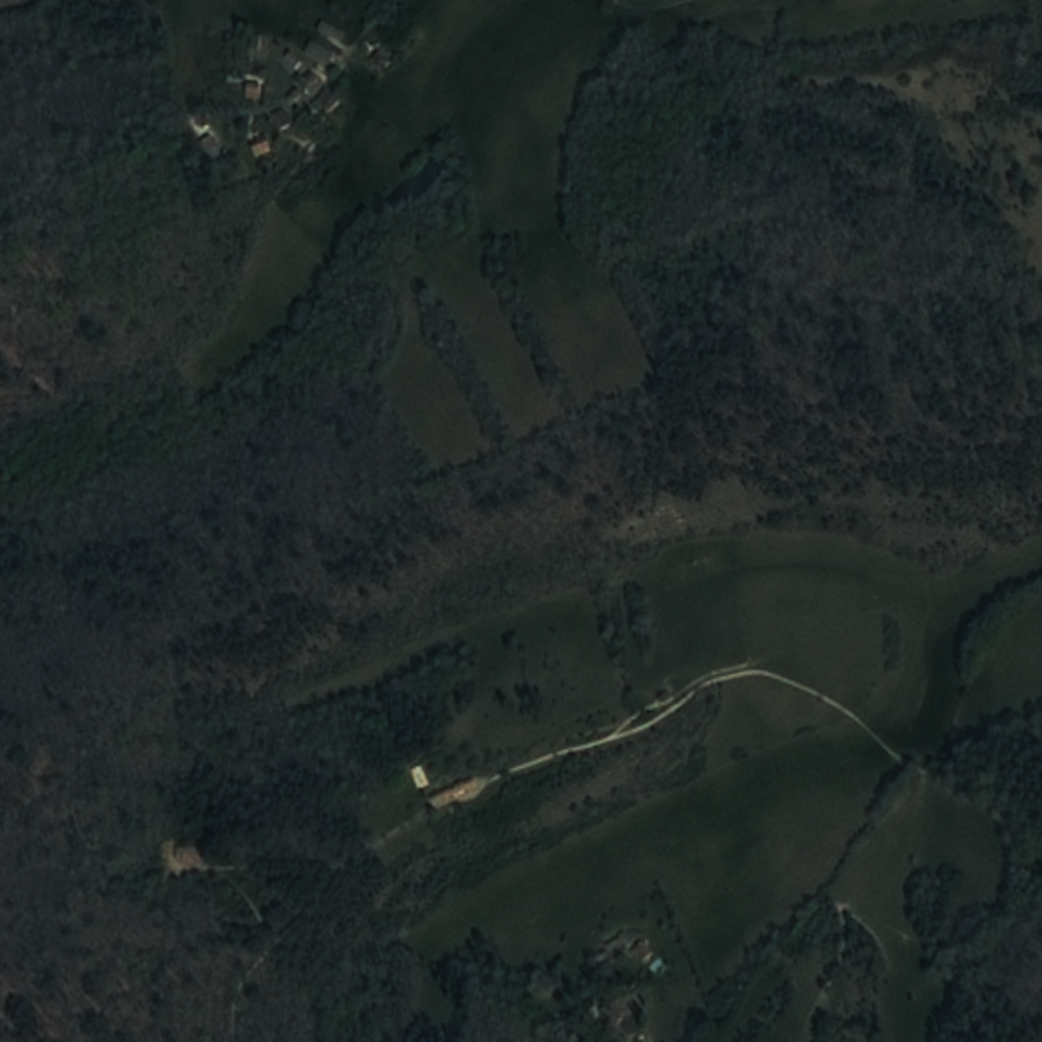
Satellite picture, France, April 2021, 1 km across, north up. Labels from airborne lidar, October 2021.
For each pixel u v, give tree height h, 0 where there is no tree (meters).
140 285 21
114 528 11
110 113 13
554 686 0
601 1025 6
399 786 19
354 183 0
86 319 15
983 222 19
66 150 18
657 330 15
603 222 22
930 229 26
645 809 0
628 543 8
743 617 0
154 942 10
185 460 21
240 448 17
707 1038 26
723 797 0
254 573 13
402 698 19
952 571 14
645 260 12
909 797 16
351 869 15
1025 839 22
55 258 20
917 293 23
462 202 21
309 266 0
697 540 14
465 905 0
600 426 12
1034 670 0
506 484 16
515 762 9
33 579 16
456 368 12
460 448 0
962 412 12
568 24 0
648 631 15
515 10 0
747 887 0
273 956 16
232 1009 18
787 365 12
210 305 19
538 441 15
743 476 14
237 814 19
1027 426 14
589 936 0
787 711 0
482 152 0
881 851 0
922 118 7
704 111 27
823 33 0
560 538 14
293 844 20
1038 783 28
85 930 12
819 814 0
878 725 0
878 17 0
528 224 0
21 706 15
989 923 13
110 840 14
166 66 22
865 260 21
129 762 17
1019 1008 16
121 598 19
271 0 0
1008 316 19
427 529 18
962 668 15
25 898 10
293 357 25
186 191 22
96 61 10
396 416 12
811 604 0
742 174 20
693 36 22
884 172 20
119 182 23
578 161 20
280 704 21
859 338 22
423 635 18
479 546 15
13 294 17
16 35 12
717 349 21
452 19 0
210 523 21
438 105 0
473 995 24
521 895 0
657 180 19
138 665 18
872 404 24
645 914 8
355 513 18
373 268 25
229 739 19
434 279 0
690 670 0
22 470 21
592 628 0
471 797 0
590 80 13
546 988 15
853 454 25
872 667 0
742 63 26
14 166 15
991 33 22
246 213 16
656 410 19
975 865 0
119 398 27
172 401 26
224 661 24
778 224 11
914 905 18
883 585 0
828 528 18
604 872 0
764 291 15
